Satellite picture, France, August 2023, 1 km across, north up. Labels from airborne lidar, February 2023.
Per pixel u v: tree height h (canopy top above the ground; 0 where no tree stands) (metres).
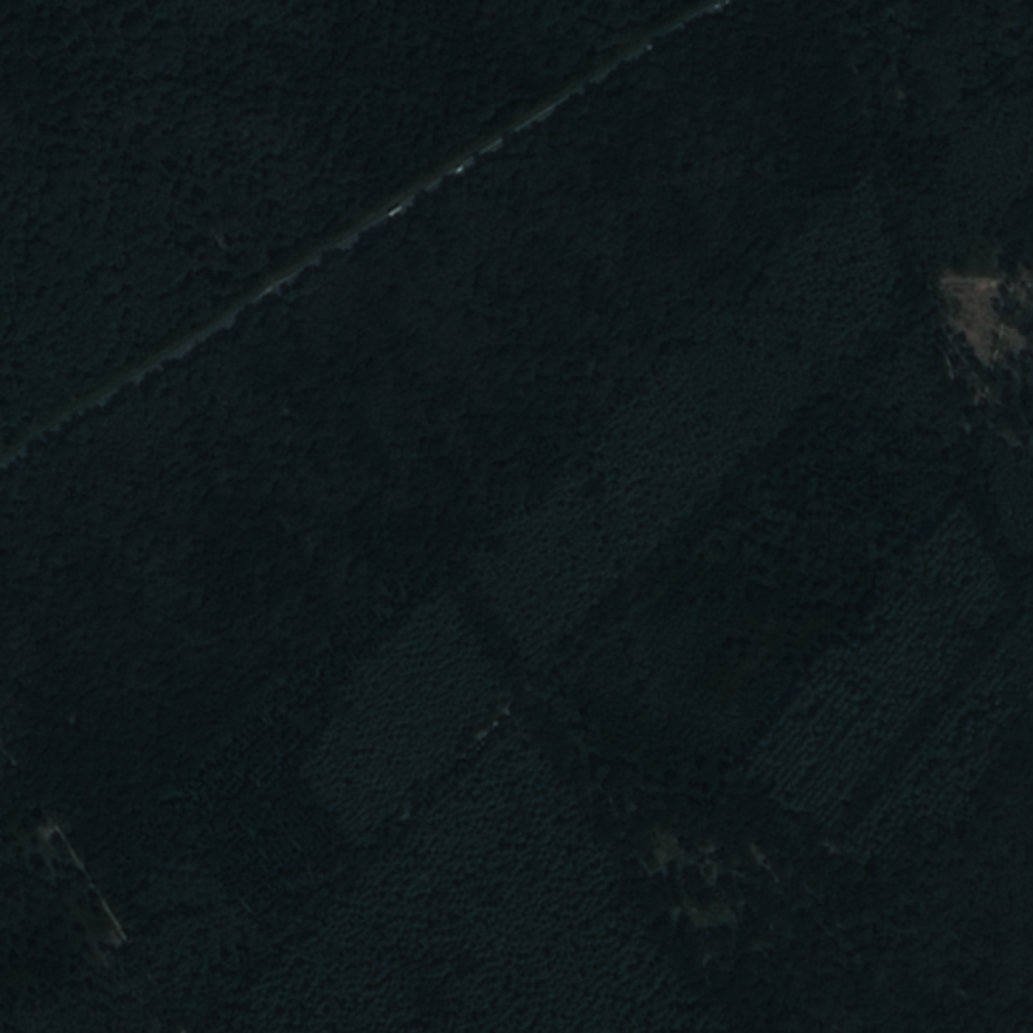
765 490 20
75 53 15
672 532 12
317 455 24
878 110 19
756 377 24
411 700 25
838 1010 22
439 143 18
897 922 12
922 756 20
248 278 19
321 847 13
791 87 13
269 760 17
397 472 20
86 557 17
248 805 18
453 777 11
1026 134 21
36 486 20
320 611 20
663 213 18
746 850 21
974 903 22
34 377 22
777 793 20
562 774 18
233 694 17
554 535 23
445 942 21
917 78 22
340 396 19
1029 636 20
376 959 21
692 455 23
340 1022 23
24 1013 20
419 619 21
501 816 20
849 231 23
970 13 22
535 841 20
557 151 23
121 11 18
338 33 10
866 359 15
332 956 21
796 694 19
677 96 15
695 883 23
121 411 18
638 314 17
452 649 19
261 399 22
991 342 23
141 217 24
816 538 14
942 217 23
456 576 15
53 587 17
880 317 22
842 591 20
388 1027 22
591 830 20
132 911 19
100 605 15
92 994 20
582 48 13
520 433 17
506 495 16
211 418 26
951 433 22
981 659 18
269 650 14
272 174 19
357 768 21
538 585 22
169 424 19
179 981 21
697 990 22
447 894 21
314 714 18
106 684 18
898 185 14
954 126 20
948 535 24
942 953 21
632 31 24
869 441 25
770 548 13
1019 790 22
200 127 19
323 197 15
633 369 20
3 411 20
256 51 16
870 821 23
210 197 26
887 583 13
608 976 24
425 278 21
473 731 13
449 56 15
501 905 22
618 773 21
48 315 20
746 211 16
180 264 24
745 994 21
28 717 19
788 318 23
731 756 15
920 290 21
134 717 19
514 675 11
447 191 16
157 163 6
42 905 22
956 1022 23
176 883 21
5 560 22
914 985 22
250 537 20
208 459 19
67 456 20
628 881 19
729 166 17
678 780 16
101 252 20
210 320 19
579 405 17
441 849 23
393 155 18
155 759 15
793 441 17
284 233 13
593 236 16
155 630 17
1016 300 18
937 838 20
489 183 18
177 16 18
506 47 20
